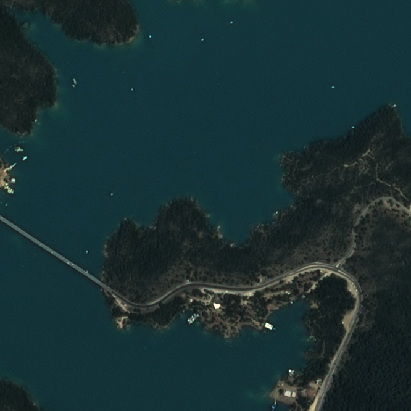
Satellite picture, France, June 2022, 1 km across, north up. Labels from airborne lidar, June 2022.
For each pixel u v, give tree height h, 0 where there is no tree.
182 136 0
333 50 0
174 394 0
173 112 0
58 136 0
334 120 0
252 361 0
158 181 0
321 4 0
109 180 0
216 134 0
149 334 0
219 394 0
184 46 0
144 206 0
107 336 0
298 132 0
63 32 0
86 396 0
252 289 0
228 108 0
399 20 0
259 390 0
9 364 0
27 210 0
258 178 0
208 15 0
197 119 0
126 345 0
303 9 0
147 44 0
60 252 0
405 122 0
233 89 0
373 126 7
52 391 0
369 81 0
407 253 7
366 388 12
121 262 5
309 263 0
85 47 0
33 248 0
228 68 0
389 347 13
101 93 0
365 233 8
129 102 0
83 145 0
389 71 0
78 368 0
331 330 6
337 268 0
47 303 0
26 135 0
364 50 0
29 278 0
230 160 0
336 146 6
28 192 0
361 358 15
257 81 0
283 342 0
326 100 0
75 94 0
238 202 0
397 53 0
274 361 0
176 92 0
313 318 8
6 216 0
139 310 8
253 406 0
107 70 0
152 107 0
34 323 0
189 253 6
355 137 10
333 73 0
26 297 0
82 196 0
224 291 0
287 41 0
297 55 0
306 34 0
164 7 0
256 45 0
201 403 0
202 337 0
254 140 0
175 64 0
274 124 0
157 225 7
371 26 0
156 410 0
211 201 0
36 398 0
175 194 0
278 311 0
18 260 0
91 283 0
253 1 0
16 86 7
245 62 0
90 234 0
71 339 0
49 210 0
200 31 0
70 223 0
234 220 0
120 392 0
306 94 0
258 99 0
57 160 0
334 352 8
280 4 0
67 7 6
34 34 0
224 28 0
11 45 6
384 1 0
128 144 0
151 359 0
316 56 0
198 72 0
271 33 0
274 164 0
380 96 0
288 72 0
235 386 0
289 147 0
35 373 0
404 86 0
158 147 0
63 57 0
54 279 0
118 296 0
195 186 0
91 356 0
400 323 7
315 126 0
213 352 0
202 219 9
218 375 0
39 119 0
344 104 0
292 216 7
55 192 0
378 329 7
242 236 0
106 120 0
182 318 0
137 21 7
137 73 0
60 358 0
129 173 0
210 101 0
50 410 0
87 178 0
